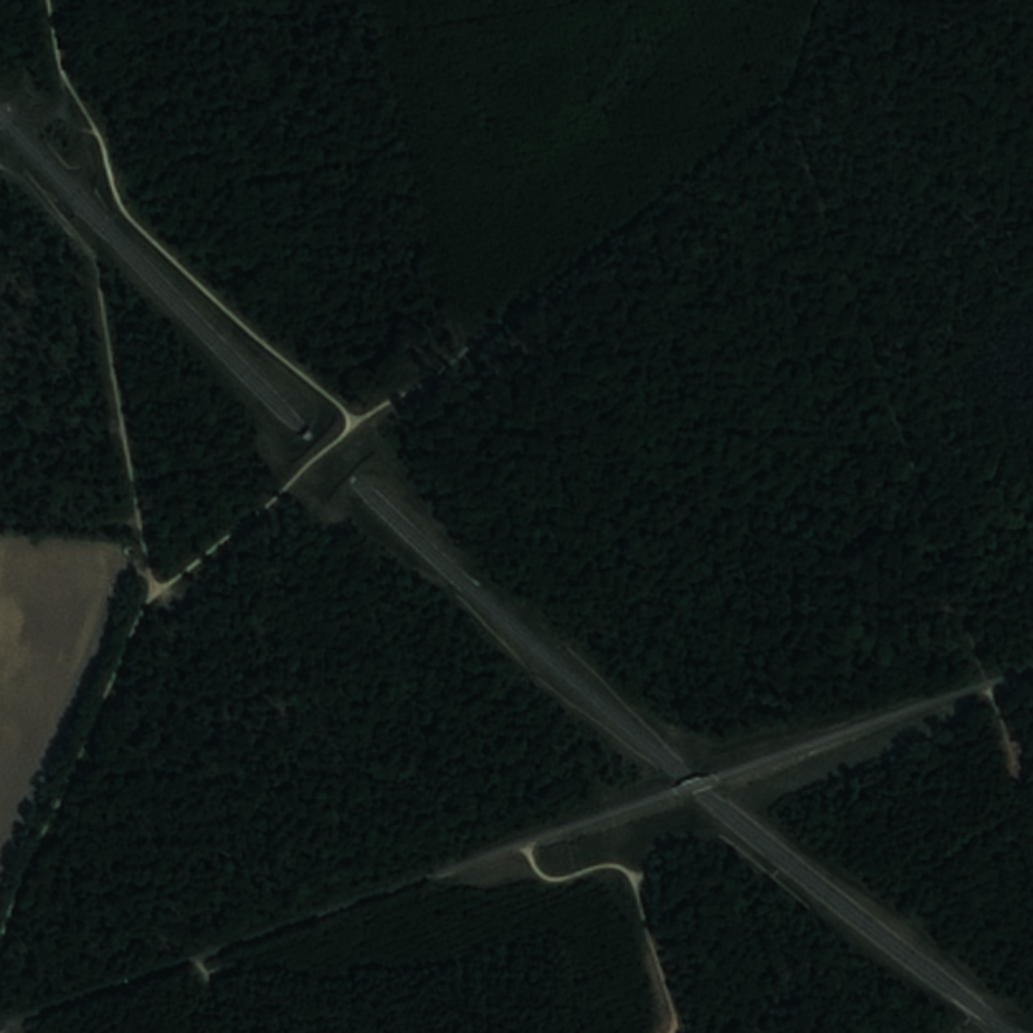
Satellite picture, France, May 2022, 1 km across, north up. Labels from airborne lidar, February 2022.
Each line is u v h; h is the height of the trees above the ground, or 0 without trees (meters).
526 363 27
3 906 17
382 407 0
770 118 25
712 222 20
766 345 21
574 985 19
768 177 23
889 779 25
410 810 19
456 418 26
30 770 0
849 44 26
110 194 0
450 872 0
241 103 25
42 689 0
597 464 20
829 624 27
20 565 0
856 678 27
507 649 0
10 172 0
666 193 17
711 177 22
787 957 23
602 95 7
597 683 0
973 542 25
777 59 7
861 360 23
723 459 23
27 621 0
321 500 0
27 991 20
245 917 20
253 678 23
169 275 0
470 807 20
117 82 23
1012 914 20
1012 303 20
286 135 0
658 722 0
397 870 19
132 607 11
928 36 26
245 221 21
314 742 22
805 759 0
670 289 23
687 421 18
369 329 22
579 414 27
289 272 24
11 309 24
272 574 20
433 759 23
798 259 22
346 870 23
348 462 0
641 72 6
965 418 23
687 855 21
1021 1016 0
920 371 19
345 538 25
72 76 25
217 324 0
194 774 21
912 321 26
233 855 22
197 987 20
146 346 24
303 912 11
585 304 26
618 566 24
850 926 0
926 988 0
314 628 22
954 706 0
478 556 21
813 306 24
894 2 25
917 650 25
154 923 20
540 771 23
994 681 0
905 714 0
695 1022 19
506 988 23
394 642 18
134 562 0
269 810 19
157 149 22
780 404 24
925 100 23
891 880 0
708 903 20
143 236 0
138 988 18
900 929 0
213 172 21
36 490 30
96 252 0
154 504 22
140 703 23
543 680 0
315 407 0
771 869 0
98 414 21
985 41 26
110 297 24
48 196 0
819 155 24
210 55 24
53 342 27
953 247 27
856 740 0
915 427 26
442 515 24
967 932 21
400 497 0
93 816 22
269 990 25
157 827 21
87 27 25
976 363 15
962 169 22
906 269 25
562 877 0
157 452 24
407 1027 21
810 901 0
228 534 0
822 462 23
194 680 17
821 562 25
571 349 25
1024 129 25
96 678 20
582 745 20
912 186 25
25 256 24
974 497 26
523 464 25
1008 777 19
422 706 22
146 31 24
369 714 25
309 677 21
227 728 23
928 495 26
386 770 23
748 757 0
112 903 22
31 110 0
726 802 0
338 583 22
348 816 24
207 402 21
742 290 20
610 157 8
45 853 21
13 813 0
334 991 22
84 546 0
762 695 29
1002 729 11
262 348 0
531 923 9
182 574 0
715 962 21
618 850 0
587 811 0
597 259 21
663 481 24
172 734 18
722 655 26
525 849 0
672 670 26
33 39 23
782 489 27
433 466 28
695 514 25
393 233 22
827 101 27
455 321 0
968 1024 0
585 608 23
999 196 25
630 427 23
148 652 17
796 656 31
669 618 24
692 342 24
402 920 6
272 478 25
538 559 22
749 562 20
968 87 21
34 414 26
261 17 25
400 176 20
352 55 30
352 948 8
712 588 23
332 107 25
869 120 19
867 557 30
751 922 24
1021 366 17
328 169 24
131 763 22
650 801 0
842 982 22
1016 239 29
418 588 24
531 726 21
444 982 22
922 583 27
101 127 0
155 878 20
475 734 21
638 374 23
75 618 0
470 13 8
